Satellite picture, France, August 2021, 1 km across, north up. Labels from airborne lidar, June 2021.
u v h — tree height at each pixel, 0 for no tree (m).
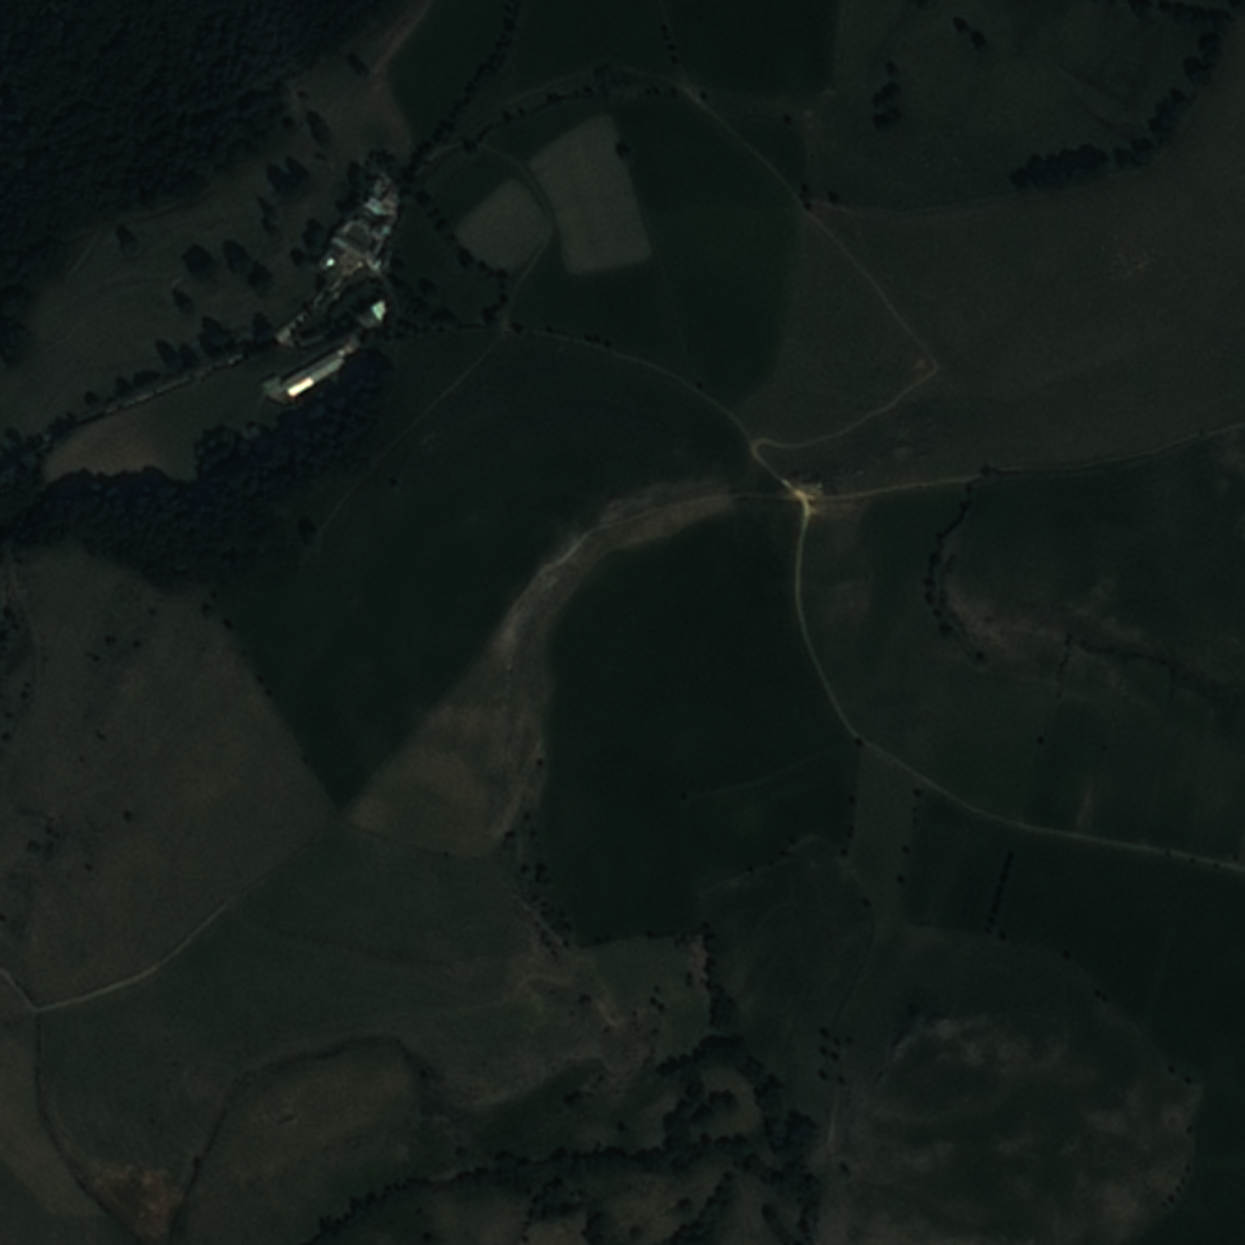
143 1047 0
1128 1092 0
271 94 12
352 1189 0
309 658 0
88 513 22
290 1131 0
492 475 0
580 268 0
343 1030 0
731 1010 18
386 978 0
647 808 0
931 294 0
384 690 0
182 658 0
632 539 0
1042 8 0
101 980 0
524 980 0
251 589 0
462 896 0
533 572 0
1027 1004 0
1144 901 0
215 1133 0
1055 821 0
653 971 0
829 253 0
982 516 0
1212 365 0
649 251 0
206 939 0
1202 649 0
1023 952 0
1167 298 0
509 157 0
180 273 0
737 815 0
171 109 18
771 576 0
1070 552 0
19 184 18
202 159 23
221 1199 0
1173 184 0
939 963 0
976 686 0
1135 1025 0
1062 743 0
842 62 0
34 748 0
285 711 0
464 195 0
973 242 0
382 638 0
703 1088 14
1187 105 15
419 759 0
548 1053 0
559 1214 12
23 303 20
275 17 12
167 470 0
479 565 0
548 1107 0
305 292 0
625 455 0
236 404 0
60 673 0
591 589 0
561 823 0
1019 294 0
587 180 0
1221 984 0
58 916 0
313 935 0
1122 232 0
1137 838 0
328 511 0
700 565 0
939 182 0
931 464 0
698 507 0
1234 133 0
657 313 0
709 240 0
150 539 30
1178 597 0
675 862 0
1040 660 0
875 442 0
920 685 0
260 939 0
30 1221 0
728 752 0
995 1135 0
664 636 0
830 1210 0
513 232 0
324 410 17
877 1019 0
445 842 0
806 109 0
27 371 0
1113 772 0
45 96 24
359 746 0
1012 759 0
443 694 0
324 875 0
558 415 0
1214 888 0
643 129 0
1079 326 0
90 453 0
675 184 0
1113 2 11
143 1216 0
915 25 0
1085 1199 0
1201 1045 0
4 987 0
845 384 0
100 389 0
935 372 0
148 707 0
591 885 0
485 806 0
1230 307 0
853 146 0
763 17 0
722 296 0
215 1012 0
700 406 0
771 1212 9
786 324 0
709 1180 0
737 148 0
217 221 0
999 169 0
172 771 0
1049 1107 0
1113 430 0
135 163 22
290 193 14
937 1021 0
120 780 0
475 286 0
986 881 0
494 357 0
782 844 0
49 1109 0
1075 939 0
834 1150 0
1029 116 0
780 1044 0
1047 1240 0
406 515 0
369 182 8
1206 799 0
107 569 0
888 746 0
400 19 0
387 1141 0
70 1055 0
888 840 0
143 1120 0
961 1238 0
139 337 0
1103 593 0
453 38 0
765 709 0
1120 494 0
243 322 0
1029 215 0
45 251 29
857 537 0
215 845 0
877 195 0
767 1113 18
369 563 0
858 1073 0
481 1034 0
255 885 0
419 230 0
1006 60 0
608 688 0
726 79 0
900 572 0
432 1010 0
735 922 0
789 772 0
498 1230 0
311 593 0
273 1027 0
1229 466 0
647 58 0
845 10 0
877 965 0
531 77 0
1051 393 0
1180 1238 0
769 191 0
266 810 0
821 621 0
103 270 0
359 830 0
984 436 0
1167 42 0
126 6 25
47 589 0
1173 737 0
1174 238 0
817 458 0
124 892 0
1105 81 0
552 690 0
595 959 0
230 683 0
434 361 0
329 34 25
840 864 0
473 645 0
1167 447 0
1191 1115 0
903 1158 0
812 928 0
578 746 0
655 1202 0
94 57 19
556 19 0
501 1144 0
